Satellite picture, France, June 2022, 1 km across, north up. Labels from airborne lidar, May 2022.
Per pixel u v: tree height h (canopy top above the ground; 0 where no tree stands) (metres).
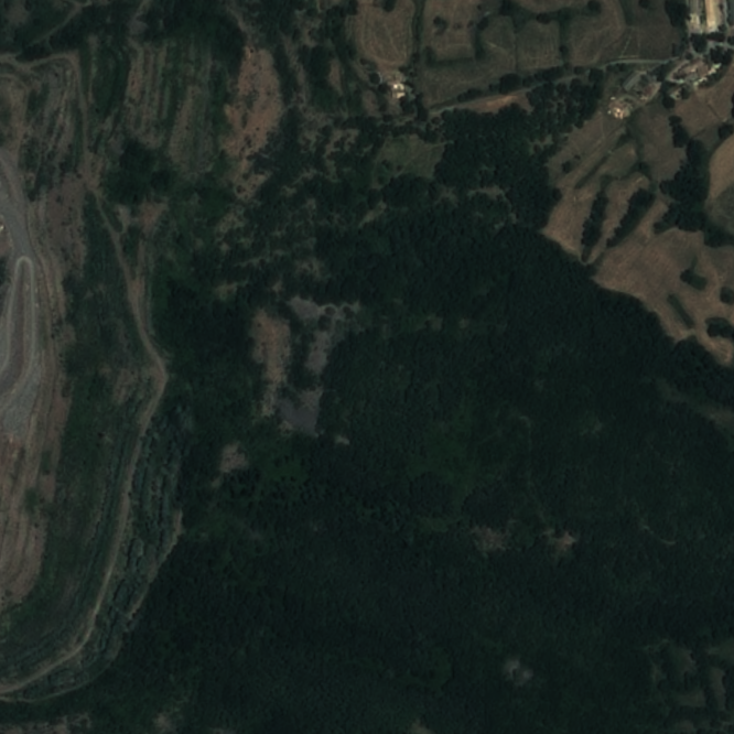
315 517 9
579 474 12
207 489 6
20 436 0
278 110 0
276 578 15
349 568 10
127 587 14
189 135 0
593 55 0
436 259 16
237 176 0
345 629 11
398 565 20
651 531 7
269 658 17
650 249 0
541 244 13
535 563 12
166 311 6
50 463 0
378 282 17
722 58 14
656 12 0
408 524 12
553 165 0
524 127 12
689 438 10
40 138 0
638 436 8
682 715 12
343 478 17
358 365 8
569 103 11
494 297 16
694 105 0
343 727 15
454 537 11
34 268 0
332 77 0
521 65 0
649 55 0
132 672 15
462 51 0
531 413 6
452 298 12
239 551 14
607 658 7
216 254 9
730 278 0
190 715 8
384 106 8
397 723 10
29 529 0
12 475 0
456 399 13
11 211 0
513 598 13
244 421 9
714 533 6
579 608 15
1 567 0
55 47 8
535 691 9
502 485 13
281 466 19
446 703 14
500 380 6
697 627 14
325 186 10
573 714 7
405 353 12
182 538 6
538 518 7
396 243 12
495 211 7
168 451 6
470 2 0
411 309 10
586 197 0
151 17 11
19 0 0
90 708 6
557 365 11
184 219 0
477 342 14
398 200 16
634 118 0
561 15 7
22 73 0
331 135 11
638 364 10
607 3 0
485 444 6
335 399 17
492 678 7
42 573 0
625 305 12
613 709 6
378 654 11
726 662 10
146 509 10
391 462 11
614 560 11
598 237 12
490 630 7
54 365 0
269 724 12
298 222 6
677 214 17
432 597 14
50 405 0
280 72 7
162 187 11
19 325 0
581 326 14
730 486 7
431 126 10
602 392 8
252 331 0
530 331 13
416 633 17
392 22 0
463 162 9
